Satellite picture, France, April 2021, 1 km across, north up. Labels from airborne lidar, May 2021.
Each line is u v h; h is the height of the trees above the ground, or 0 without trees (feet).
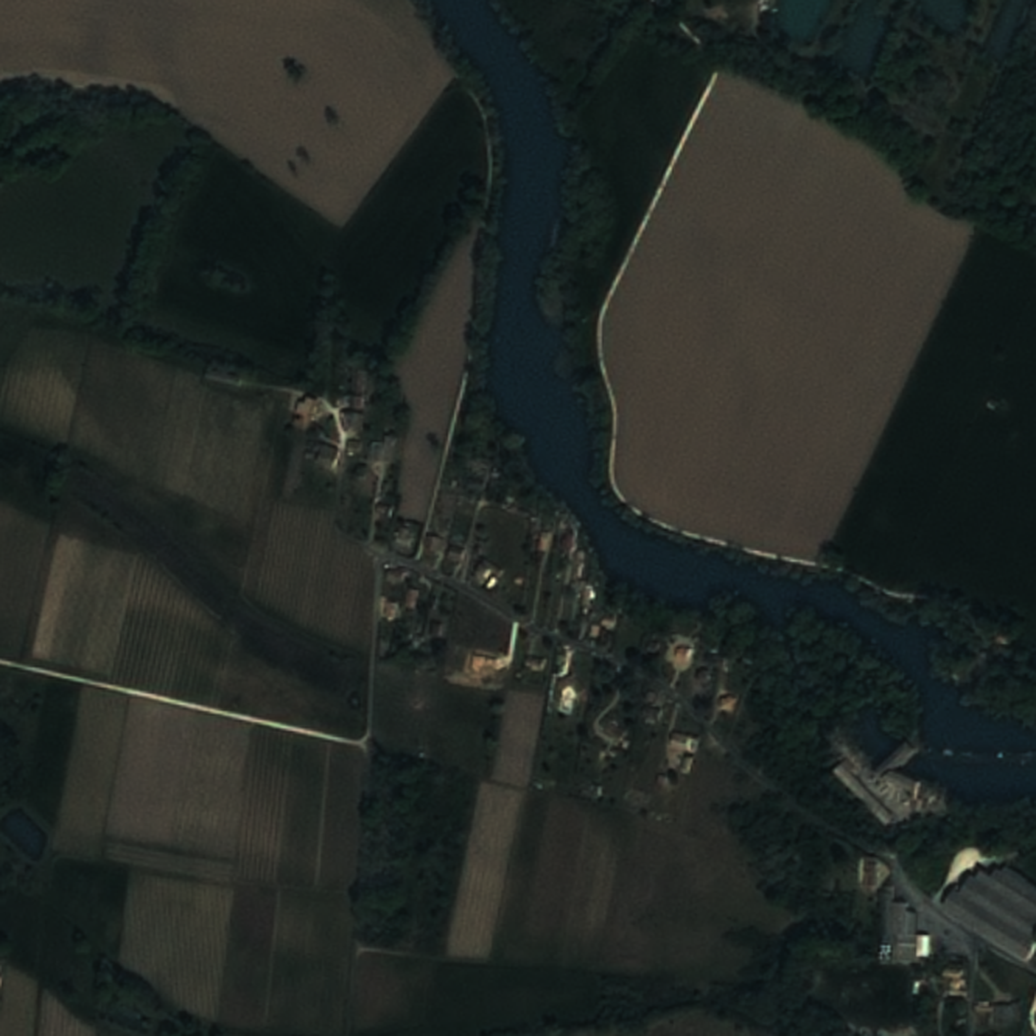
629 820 0
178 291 0
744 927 0
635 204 0
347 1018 0
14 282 0
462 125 0
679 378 0
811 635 46
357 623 0
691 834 0
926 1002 50
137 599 0
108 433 0
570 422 0
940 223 0
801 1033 66
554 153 0
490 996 0
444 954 0
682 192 0
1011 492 0
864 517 0
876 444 0
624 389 0
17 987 0
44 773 0
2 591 0
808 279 0
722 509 0
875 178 0
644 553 0
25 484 0
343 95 0
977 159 56
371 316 0
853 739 46
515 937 0
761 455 0
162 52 0
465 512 0
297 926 0
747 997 48
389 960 0
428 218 0
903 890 0
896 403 0
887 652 44
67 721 0
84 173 0
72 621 0
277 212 0
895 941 0
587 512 0
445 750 0
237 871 0
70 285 0
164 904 0
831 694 51
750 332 0
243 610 0
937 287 0
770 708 26
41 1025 0
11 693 0
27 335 0
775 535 0
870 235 0
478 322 42
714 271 0
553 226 0
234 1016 0
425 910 0
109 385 0
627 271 0
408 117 0
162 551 0
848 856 49
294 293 0
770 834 28
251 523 0
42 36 0
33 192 0
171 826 0
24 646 0
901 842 44
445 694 0
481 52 0
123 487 0
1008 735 0
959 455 0
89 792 0
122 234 0
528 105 0
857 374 0
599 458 42
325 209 0
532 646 0
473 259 0
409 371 0
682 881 0
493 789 0
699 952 0
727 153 0
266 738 0
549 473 0
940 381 0
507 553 0
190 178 68
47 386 0
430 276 56
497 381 0
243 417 0
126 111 85
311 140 0
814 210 0
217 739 0
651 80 0
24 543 0
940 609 89
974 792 0
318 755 0
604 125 0
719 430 0
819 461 0
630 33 58
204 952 0
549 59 0
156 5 0
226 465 0
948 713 0
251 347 0
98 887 0
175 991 0
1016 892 0
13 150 33
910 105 41
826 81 80
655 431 0
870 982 0
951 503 0
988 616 76
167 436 0
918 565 0
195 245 0
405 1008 0
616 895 0
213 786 0
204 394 0
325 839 0
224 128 0
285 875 0
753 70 62
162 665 0
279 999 0
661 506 0
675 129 0
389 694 0
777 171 0
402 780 51
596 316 0
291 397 0
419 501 0
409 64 0
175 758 0
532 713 0
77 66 0
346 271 0
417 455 0
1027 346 0
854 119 60
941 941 0
